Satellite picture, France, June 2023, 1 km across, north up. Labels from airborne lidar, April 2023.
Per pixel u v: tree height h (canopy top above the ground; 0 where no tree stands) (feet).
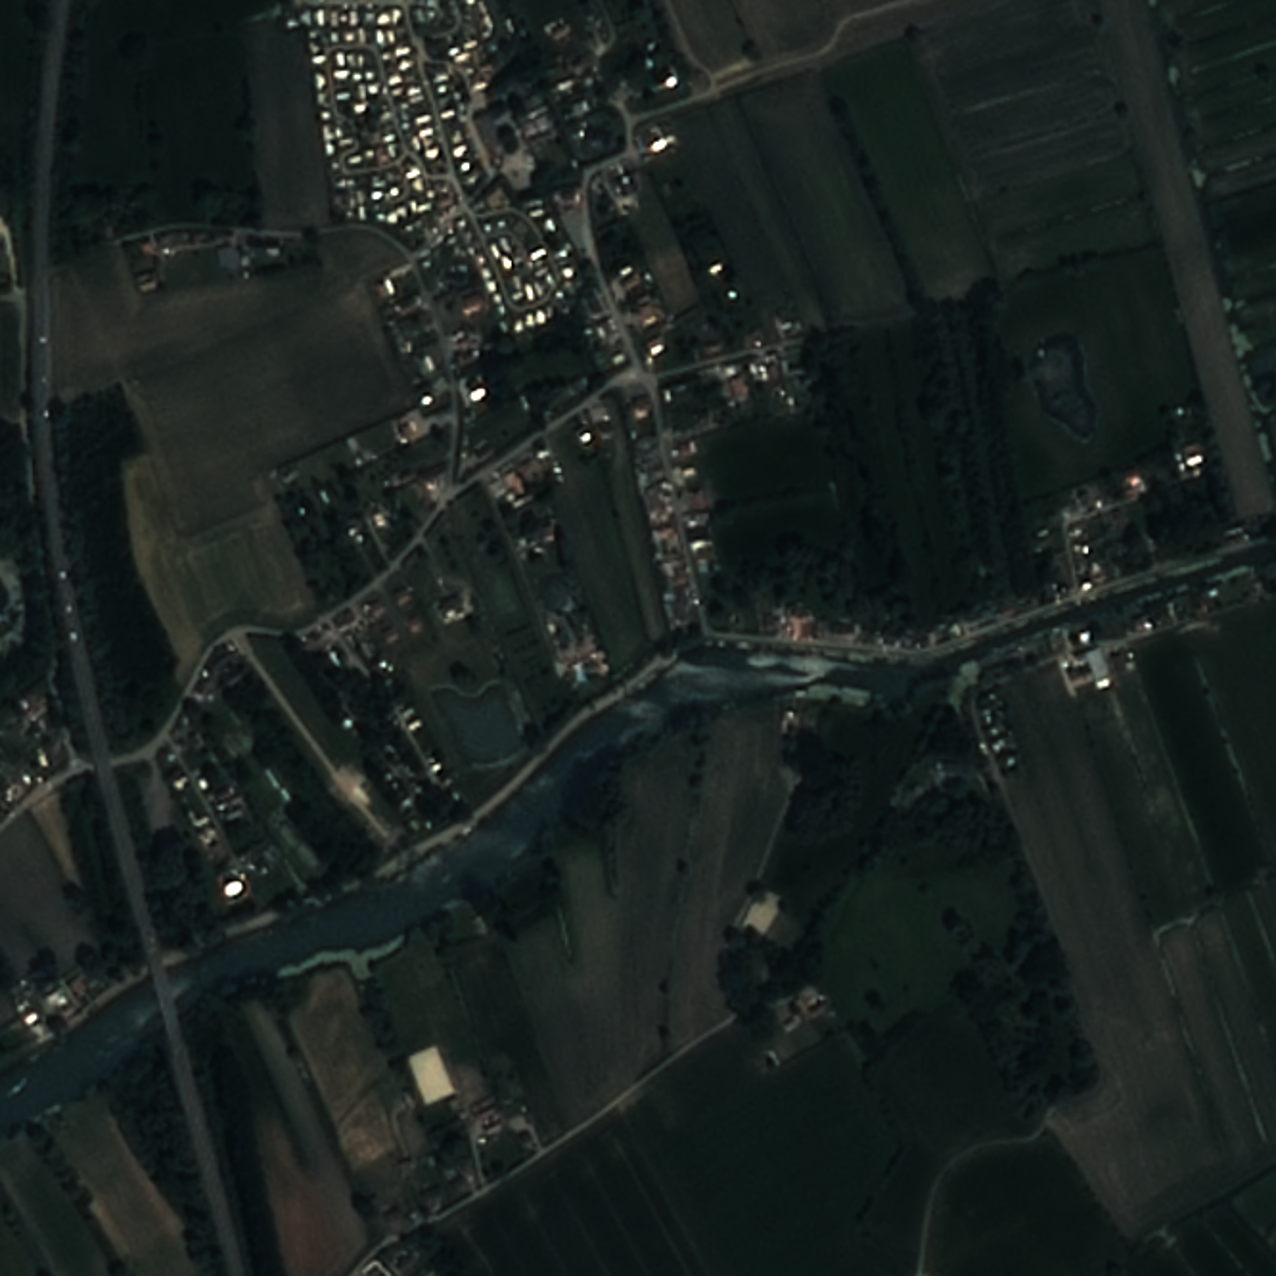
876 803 0
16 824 0
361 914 0
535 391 31
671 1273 0
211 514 0
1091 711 0
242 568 0
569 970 0
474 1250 0
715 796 0
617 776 63
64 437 23
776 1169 0
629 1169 0
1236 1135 0
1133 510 0
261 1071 0
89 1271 0
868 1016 0
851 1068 0
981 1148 0
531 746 48
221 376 0
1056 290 0
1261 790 0
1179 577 0
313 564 53
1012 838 28
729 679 0
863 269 0
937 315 41
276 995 67
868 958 0
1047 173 0
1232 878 0
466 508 0
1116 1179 0
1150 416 0
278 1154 0
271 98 0
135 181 0
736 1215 0
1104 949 0
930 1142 0
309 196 0
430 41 20
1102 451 0
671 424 0
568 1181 0
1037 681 0
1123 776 0
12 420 0
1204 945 0
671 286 0
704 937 0
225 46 0
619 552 0
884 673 0
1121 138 0
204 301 0
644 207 0
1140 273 0
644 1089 0
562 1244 0
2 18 0
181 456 0
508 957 0
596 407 0
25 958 0
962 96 0
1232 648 0
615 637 0
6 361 0
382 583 0
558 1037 0
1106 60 0
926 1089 0
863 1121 0
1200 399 52
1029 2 0
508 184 23
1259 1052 0
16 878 0
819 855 0
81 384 0
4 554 31
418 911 0
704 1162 0
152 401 0
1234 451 0
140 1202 0
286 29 19
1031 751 0
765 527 0
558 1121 0
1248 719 0
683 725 50
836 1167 0
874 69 0
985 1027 76
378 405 0
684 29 0
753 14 0
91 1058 0
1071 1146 0
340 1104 0
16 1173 0
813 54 0
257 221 46
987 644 0
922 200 0
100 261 0
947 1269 0
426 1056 0
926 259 0
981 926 0
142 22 0
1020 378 25
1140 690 0
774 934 0
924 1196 0
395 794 64
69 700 54
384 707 59
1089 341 0
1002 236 0
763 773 0
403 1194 0
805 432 0
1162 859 0
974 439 52
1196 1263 0
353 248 0
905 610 24
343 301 0
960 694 0
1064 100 0
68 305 0
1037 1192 0
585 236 0
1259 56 0
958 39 0
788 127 0
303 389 0
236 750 0
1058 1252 0
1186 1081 0
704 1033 0
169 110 0
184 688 0
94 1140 0
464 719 0
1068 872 0
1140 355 0
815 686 0
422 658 0
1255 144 0
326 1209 0
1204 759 0
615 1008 0
